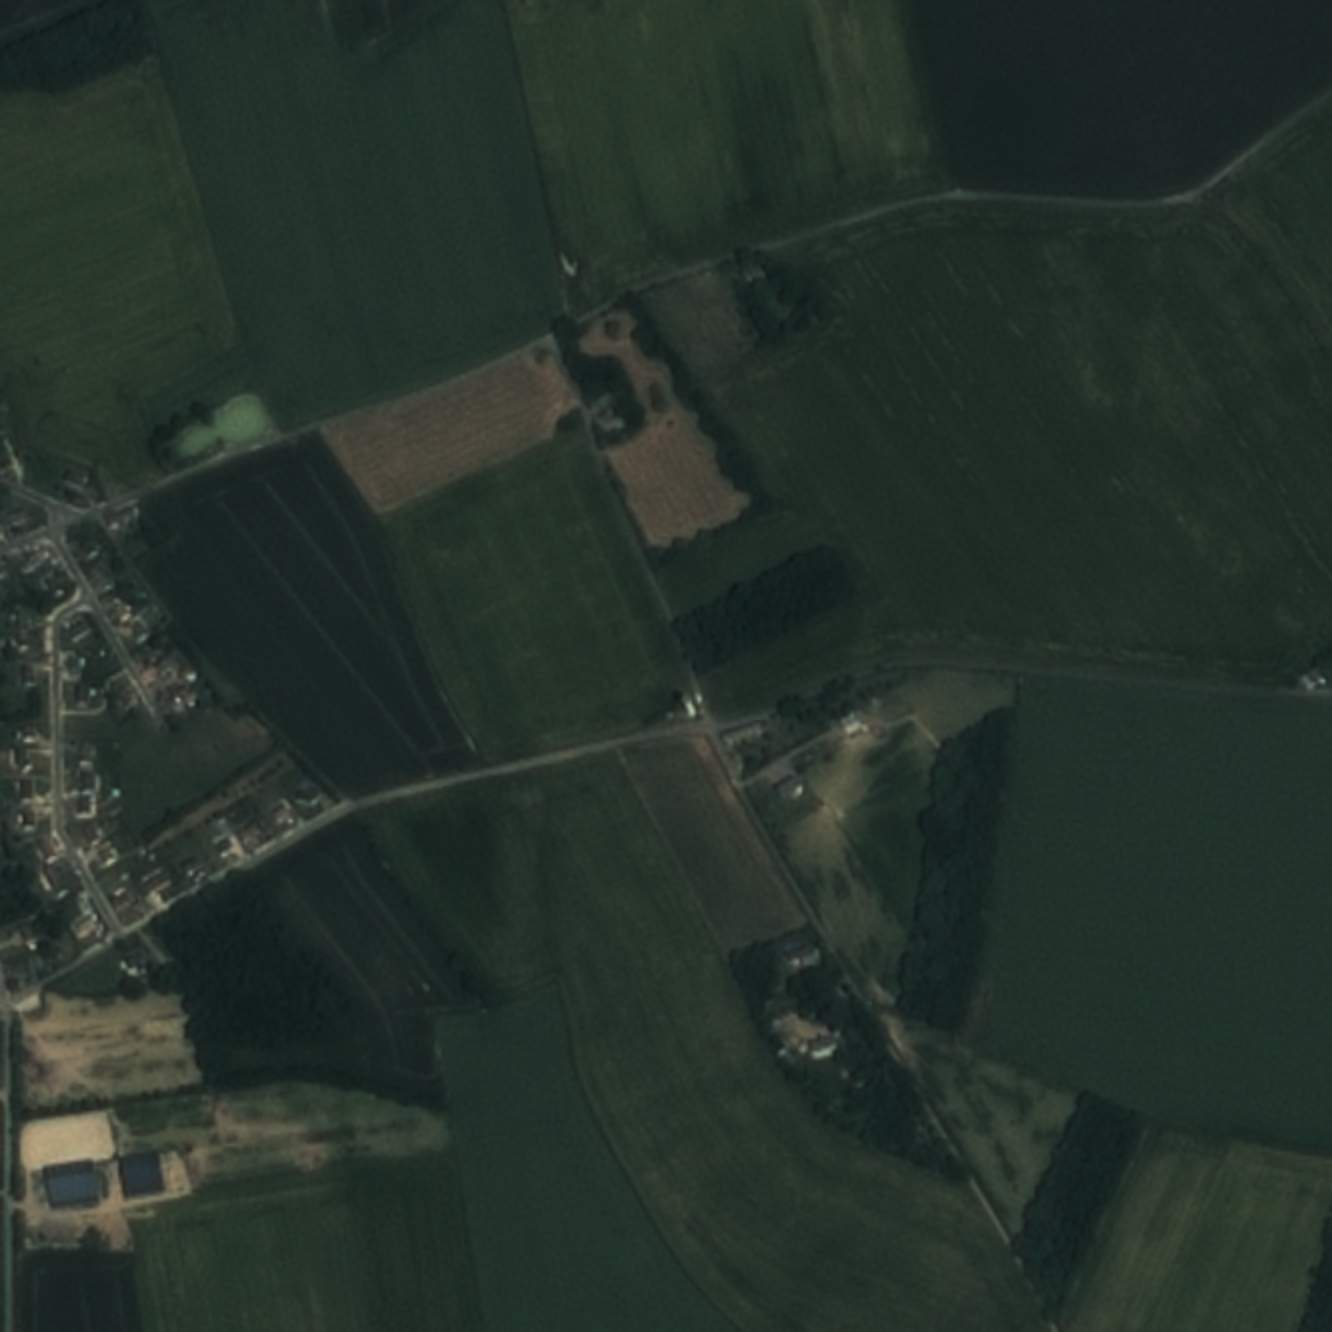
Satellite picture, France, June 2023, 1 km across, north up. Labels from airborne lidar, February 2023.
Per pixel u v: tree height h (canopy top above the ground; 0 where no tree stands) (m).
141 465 0
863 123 0
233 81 0
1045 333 0
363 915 0
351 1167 0
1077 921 0
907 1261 0
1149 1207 0
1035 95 0
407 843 0
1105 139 0
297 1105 0
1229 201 0
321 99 0
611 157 0
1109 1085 0
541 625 0
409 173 0
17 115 0
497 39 0
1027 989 0
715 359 0
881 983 0
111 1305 0
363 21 0
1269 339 0
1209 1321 0
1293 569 0
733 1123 0
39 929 10
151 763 0
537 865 0
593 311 0
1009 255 0
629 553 0
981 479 0
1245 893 0
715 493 0
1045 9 0
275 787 0
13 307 0
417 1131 0
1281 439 0
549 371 0
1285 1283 0
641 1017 0
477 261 0
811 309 13
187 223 0
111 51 18
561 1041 0
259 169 0
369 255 0
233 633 0
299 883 0
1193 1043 0
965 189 0
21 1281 0
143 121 0
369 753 0
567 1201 0
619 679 0
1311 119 0
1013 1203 0
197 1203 0
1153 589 0
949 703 0
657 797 0
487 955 0
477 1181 0
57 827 0
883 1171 0
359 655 0
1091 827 0
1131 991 0
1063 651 0
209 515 0
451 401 0
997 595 0
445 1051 0
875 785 0
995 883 11
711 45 0
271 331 0
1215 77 0
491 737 0
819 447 0
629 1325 0
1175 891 0
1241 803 0
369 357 0
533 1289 0
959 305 0
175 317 0
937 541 0
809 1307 0
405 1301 0
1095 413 0
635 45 0
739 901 0
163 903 0
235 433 0
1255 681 0
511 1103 0
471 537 0
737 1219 0
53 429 0
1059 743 0
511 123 0
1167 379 0
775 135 0
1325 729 0
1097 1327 0
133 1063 0
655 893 0
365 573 0
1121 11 0
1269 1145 0
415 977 0
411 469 0
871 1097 9
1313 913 0
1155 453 0
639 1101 0
